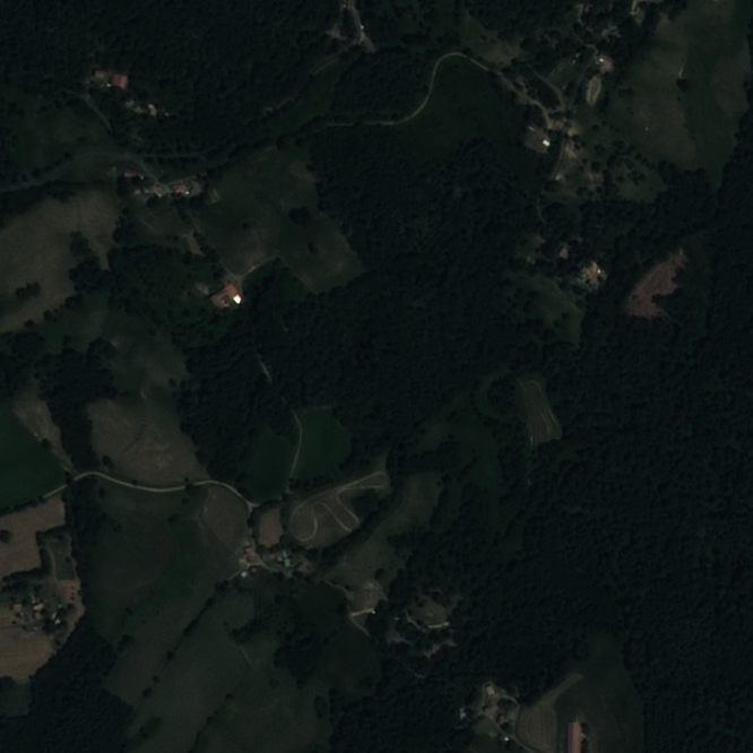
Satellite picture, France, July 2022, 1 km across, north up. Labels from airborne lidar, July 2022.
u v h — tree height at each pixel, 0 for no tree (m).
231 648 0
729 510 11
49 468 0
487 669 15
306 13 16
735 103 0
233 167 14
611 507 14
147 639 0
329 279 0
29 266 0
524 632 14
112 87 7
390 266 11
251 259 0
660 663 25
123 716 21
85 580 14
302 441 0
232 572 0
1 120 17
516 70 17
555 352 28
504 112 0
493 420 10
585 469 19
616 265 22
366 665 0
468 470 8
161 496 0
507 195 13
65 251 0
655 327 18
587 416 17
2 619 0
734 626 10
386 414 20
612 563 13
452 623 18
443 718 9
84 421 10
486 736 0
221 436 13
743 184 20
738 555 6
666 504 23
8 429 0
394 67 16
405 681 21
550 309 0
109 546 0
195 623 9
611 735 0
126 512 0
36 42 21
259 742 0
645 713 9
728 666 14
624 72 11
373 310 29
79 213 0
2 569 0
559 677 20
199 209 15
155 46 18
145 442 0
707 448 8
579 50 17
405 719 10
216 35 17
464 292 27
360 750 23
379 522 12
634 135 0
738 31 0
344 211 22
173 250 14
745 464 22
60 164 8
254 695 0
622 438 26
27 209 11
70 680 15
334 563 15
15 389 15
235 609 0
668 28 0
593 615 13
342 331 26
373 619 17
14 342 12
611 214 17
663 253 26
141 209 0
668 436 15
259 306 23
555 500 8
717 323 20
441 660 19
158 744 0
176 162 16
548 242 15
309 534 0
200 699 0
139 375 0
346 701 7
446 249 10
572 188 0
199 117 16
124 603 0
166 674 0
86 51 17
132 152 9
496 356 24
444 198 15
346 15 16
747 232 12
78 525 23
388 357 27
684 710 9
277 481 0
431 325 7
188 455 0
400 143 7
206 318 7
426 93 14
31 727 11
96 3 22
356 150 10
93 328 0
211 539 0
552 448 18
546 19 22
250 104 20
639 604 24
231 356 26
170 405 0
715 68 0
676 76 0
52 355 14
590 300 17
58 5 22
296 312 14
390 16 12
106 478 0
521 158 0
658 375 8
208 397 28
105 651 19
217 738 0
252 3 19
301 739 0
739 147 6
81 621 12
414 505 0
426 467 14
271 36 19
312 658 21
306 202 0
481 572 7
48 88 21
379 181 6
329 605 0
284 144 16
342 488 0
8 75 16
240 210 0
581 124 0
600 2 19
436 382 17
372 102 16
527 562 19
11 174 15
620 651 0
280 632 7
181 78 12
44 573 13
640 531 19
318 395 27
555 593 16
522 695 13
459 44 6
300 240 0
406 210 11
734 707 23
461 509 11
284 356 22
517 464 18
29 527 0
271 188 0
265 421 14
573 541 10
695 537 21
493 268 24
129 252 23
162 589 0
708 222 19
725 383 9
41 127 0
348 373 29
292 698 0
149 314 6
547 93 11
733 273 20
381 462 0
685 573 21
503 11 22
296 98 7
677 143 0
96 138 0
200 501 0
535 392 0
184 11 18
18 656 0
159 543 0
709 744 21
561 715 0
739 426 6
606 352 19
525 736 0
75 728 25
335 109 8
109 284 20
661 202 17
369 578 0
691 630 15
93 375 21
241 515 0
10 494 0
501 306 17
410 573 12
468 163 21
